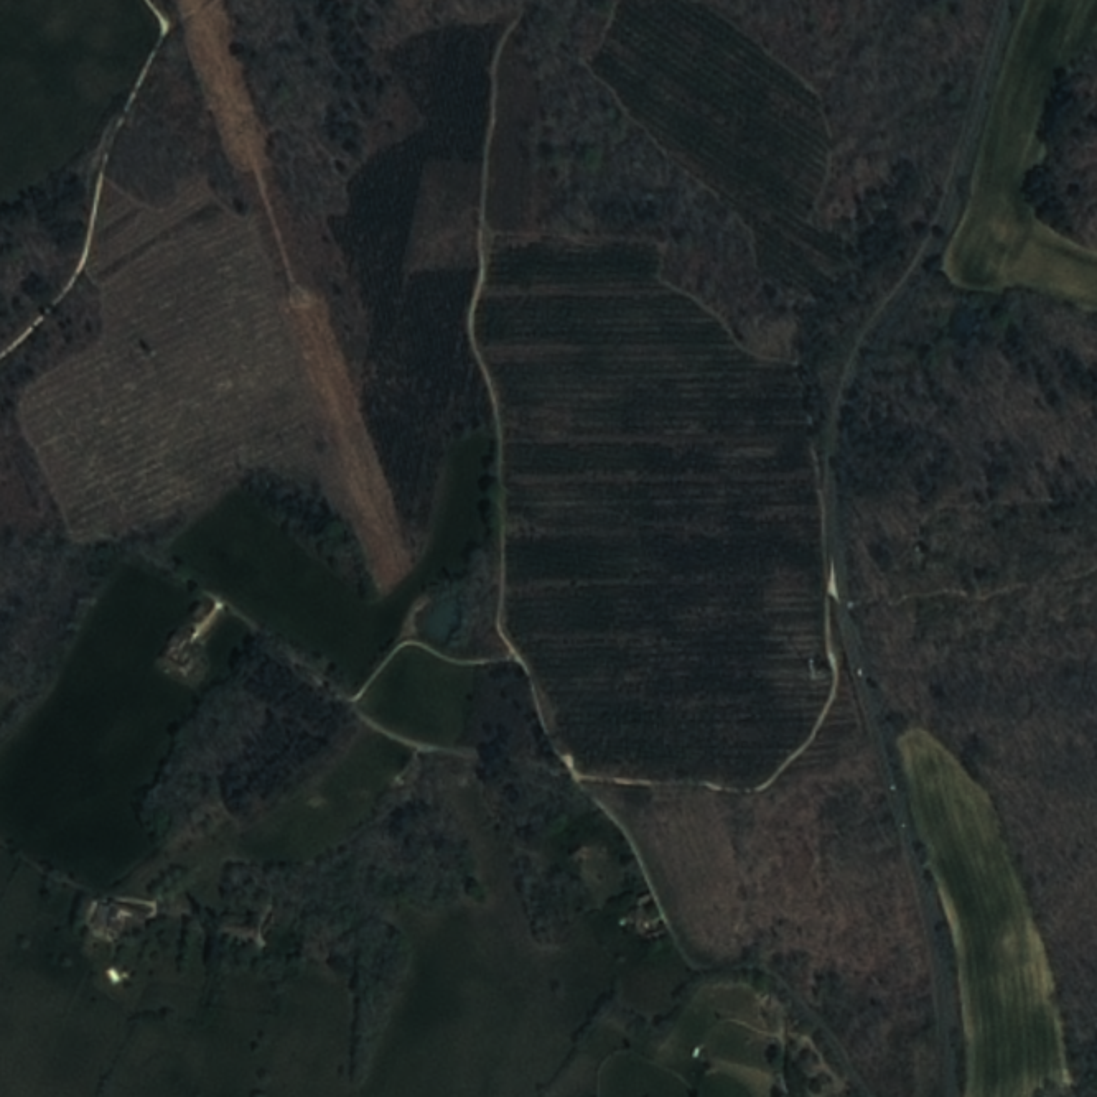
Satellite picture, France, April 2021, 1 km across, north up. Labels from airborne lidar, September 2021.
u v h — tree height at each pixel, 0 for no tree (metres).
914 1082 8
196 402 0
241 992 0
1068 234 12
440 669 0
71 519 0
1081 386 24
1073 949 16
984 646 12
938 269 12
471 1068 0
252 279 0
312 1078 0
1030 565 6
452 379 6
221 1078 0
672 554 6
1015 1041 0
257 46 11
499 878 0
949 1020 0
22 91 0
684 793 14
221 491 0
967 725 15
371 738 0
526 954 0
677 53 6
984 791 10
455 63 6
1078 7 0
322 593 0
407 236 6
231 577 0
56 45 0
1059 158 13
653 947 15
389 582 0
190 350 0
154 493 0
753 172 7
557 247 6
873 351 18
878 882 13
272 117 12
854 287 14
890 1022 15
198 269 0
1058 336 16
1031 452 17
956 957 15
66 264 9
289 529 16
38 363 8
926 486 20
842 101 15
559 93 7
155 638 0
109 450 0
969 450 15
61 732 0
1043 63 0
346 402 0
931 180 16
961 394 15
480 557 19
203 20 0
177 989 0
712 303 9
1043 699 19
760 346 15
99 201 0
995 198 0
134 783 0
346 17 15
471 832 0
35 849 0
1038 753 16
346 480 0
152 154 11
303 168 11
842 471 17
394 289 6
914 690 19
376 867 15
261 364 0
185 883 12
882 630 13
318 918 15
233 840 0
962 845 0
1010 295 13
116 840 0
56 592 12
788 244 6
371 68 12
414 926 0
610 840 0
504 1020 0
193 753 21
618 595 6
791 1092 8
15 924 0
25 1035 0
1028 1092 0
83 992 0
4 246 8
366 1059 18
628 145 14
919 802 0
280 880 13
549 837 15
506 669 10
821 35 16
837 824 12
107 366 0
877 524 17
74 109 0
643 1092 0
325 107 15
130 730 0
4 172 0
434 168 0
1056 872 15
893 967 11
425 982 0
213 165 10
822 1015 12
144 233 0
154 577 11
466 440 20
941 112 11
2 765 0
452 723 0
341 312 7
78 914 12
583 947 0
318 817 0
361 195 7
